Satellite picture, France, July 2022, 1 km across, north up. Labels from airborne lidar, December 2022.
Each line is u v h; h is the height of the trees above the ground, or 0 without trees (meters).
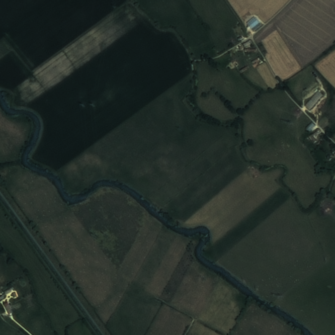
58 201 0
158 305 0
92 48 0
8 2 0
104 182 0
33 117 0
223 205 0
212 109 0
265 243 0
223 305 0
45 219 0
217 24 0
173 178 0
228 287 0
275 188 0
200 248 0
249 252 0
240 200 0
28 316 0
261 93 10
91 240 0
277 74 0
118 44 0
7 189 9
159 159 0
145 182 0
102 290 0
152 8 0
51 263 0
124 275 0
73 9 0
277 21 0
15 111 0
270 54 0
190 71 0
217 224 0
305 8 0
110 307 0
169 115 0
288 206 0
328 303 0
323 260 0
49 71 0
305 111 0
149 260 0
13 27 0
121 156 0
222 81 0
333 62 0
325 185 0
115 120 0
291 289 0
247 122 0
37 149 0
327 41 0
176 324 0
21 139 0
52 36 0
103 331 0
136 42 0
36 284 0
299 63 0
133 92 0
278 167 0
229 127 9
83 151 0
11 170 0
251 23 0
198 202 0
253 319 0
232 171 0
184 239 0
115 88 0
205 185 0
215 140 0
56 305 0
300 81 0
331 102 0
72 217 0
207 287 0
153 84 0
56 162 0
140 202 0
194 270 0
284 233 0
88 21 0
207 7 0
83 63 0
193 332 0
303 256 0
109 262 0
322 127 0
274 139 0
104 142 0
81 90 0
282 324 0
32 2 0
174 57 0
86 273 0
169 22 0
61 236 0
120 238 0
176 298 0
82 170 0
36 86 0
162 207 0
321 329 0
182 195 0
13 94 0
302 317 0
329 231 0
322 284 0
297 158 0
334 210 0
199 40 0
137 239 0
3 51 0
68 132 0
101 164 0
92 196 0
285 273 0
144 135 0
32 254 0
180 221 0
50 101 0
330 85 0
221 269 0
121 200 0
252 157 0
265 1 0
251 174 0
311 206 8
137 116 0
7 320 0
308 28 0
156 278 0
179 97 0
